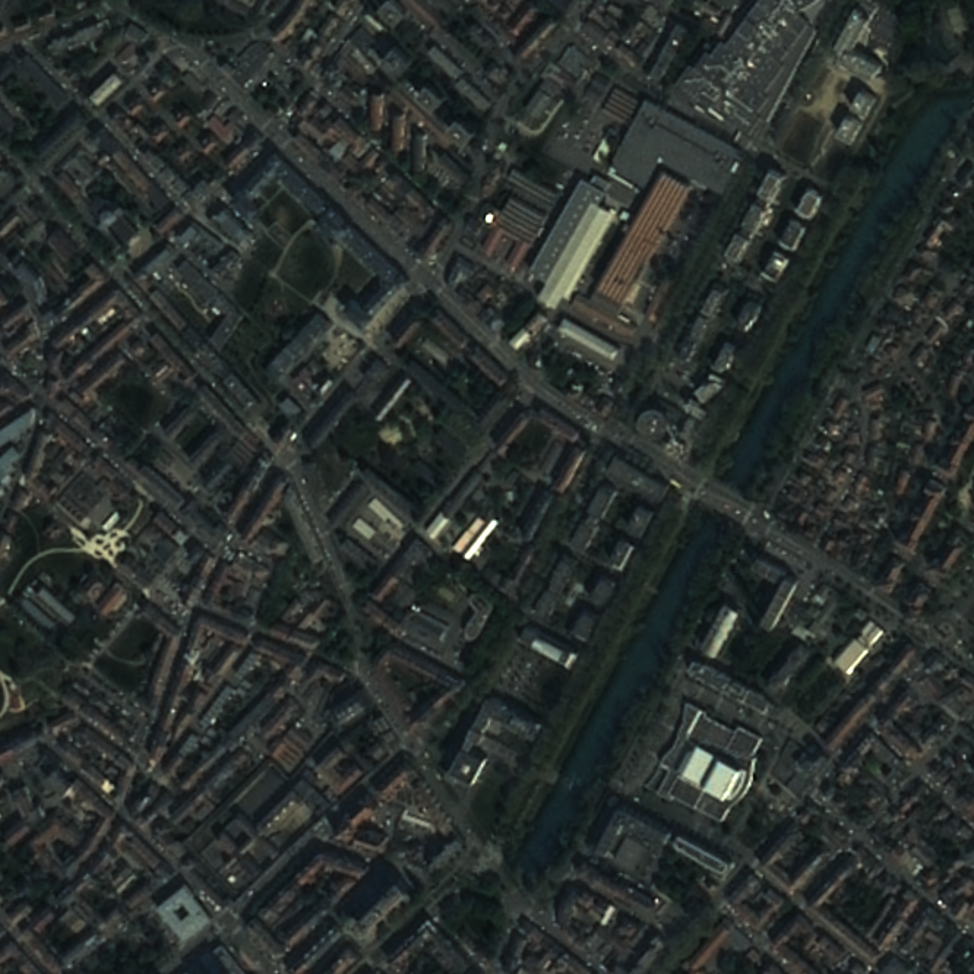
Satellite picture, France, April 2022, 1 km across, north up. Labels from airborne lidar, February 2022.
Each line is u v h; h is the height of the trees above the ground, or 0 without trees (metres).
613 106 0
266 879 0
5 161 15
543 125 0
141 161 0
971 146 21
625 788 0
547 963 0
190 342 19
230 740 0
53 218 0
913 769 0
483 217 0
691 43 22
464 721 0
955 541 0
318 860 0
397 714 0
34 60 0
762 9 0
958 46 0
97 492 0
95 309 0
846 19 17
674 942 23
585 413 0
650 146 0
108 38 19
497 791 0
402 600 0
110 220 0
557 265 0
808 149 0
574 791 0
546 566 21
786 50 0
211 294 0
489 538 7
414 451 14
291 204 0
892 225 22
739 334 0
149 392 0
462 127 0
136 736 0
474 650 16
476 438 15
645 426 0
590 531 0
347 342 0
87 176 0
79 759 0
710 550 14
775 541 0
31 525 0
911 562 0
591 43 0
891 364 0
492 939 19
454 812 0
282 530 9
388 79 14
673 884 11
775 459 12
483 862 0
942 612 0
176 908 0
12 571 0
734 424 27
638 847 0
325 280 0
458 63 0
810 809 0
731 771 0
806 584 0
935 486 0
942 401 0
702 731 0
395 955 0
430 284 0
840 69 0
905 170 0
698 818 0
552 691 0
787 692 0
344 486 0
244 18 10
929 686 0
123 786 0
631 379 21
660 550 26
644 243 0
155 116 0
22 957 0
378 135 14
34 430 0
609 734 0
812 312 0
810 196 0
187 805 0
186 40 0
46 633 12
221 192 0
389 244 0
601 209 0
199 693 0
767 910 0
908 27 17
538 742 23
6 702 0
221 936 0
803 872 0
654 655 0
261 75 0
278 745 0
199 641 0
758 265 0
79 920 0
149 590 0
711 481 0
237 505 0
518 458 18
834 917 0
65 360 16
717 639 0
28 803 0
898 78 21
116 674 0
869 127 0
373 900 0
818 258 19
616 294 0
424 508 25
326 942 0
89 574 12
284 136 0
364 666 0
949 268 17
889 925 17
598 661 27
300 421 17
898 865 0
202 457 0
